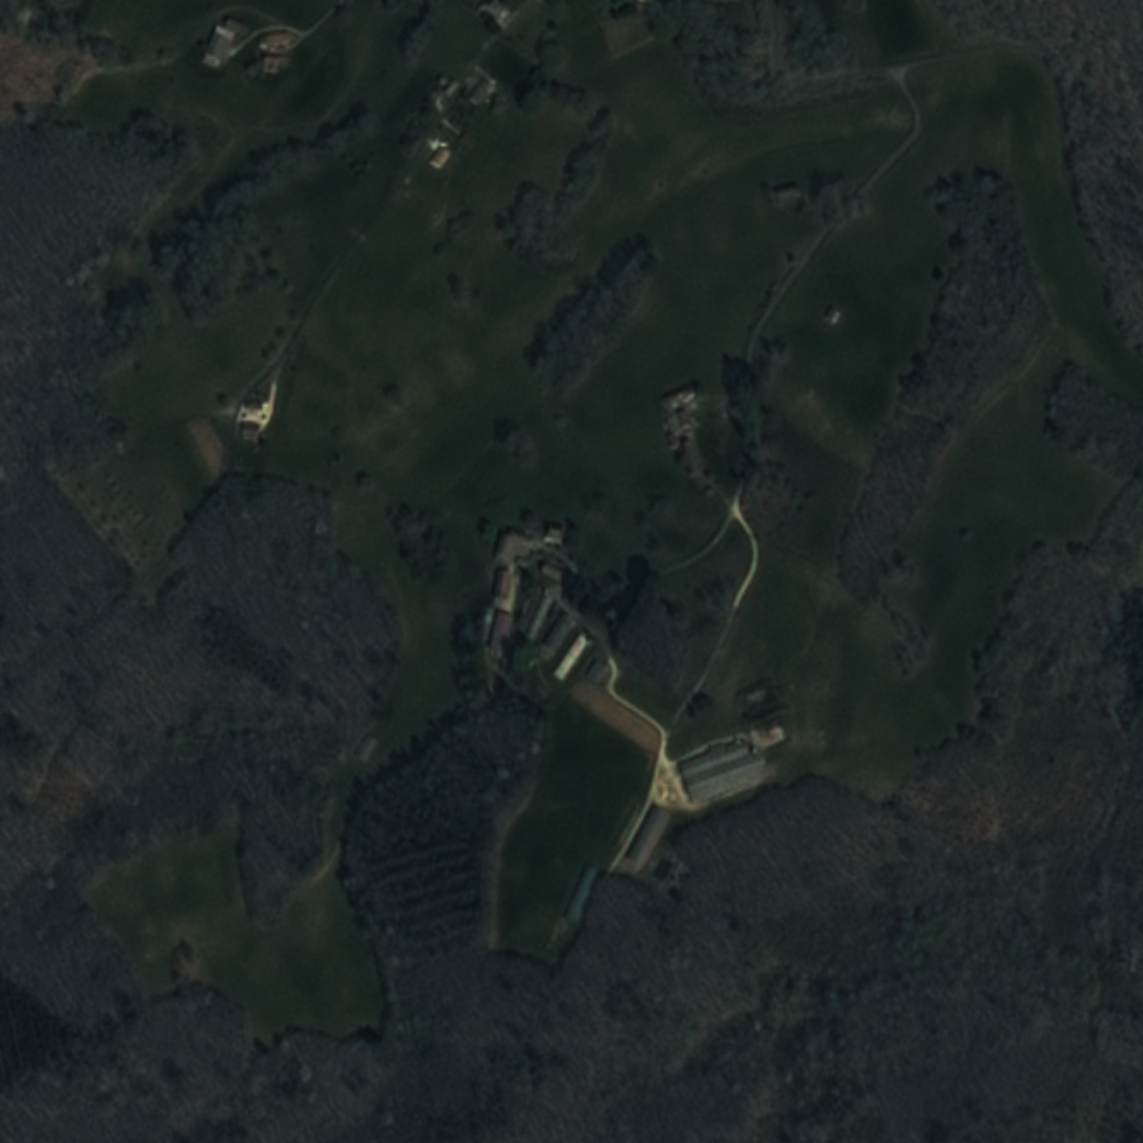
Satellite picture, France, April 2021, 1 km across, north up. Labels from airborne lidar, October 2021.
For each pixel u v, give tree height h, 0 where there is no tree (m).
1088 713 6
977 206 13
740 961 16
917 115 0
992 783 10
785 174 0
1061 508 0
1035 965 19
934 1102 16
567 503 0
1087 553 10
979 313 17
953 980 21
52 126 16
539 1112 13
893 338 0
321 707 14
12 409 18
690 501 0
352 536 0
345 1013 0
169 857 0
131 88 0
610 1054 20
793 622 0
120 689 19
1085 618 20
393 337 0
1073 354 0
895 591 0
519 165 0
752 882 25
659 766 0
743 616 0
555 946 0
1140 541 19
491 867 18
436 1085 15
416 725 0
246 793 17
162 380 0
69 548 18
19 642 14
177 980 11
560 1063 17
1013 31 20
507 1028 16
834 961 11
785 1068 9
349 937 0
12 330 17
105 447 16
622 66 0
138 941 0
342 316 0
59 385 22
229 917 0
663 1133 19
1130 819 6
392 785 16
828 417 0
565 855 0
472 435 0
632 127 0
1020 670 23
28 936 15
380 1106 15
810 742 0
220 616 18
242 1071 20
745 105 21
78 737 17
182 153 20
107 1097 18
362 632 21
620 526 0
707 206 0
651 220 0
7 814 20
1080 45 17
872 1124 9
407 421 0
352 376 0
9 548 17
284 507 21
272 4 0
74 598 18
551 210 24
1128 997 8
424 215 0
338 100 0
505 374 0
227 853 0
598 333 23
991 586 0
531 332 0
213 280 23
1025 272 19
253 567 23
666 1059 19
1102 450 19
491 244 0
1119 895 20
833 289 0
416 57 14
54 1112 20
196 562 20
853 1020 22
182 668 20
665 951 23
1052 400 15
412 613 0
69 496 11
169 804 17
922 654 10
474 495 0
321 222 0
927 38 0
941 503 0
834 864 18
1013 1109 16
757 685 0
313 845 18
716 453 0
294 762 20
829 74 19
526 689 13
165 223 0
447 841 18
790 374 0
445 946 17
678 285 0
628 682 0
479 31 0
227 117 0
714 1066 19
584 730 0
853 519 9
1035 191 0
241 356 0
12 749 31
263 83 0
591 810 0
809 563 0
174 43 0
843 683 0
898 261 0
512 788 19
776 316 0
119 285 0
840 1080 19
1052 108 0
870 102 0
